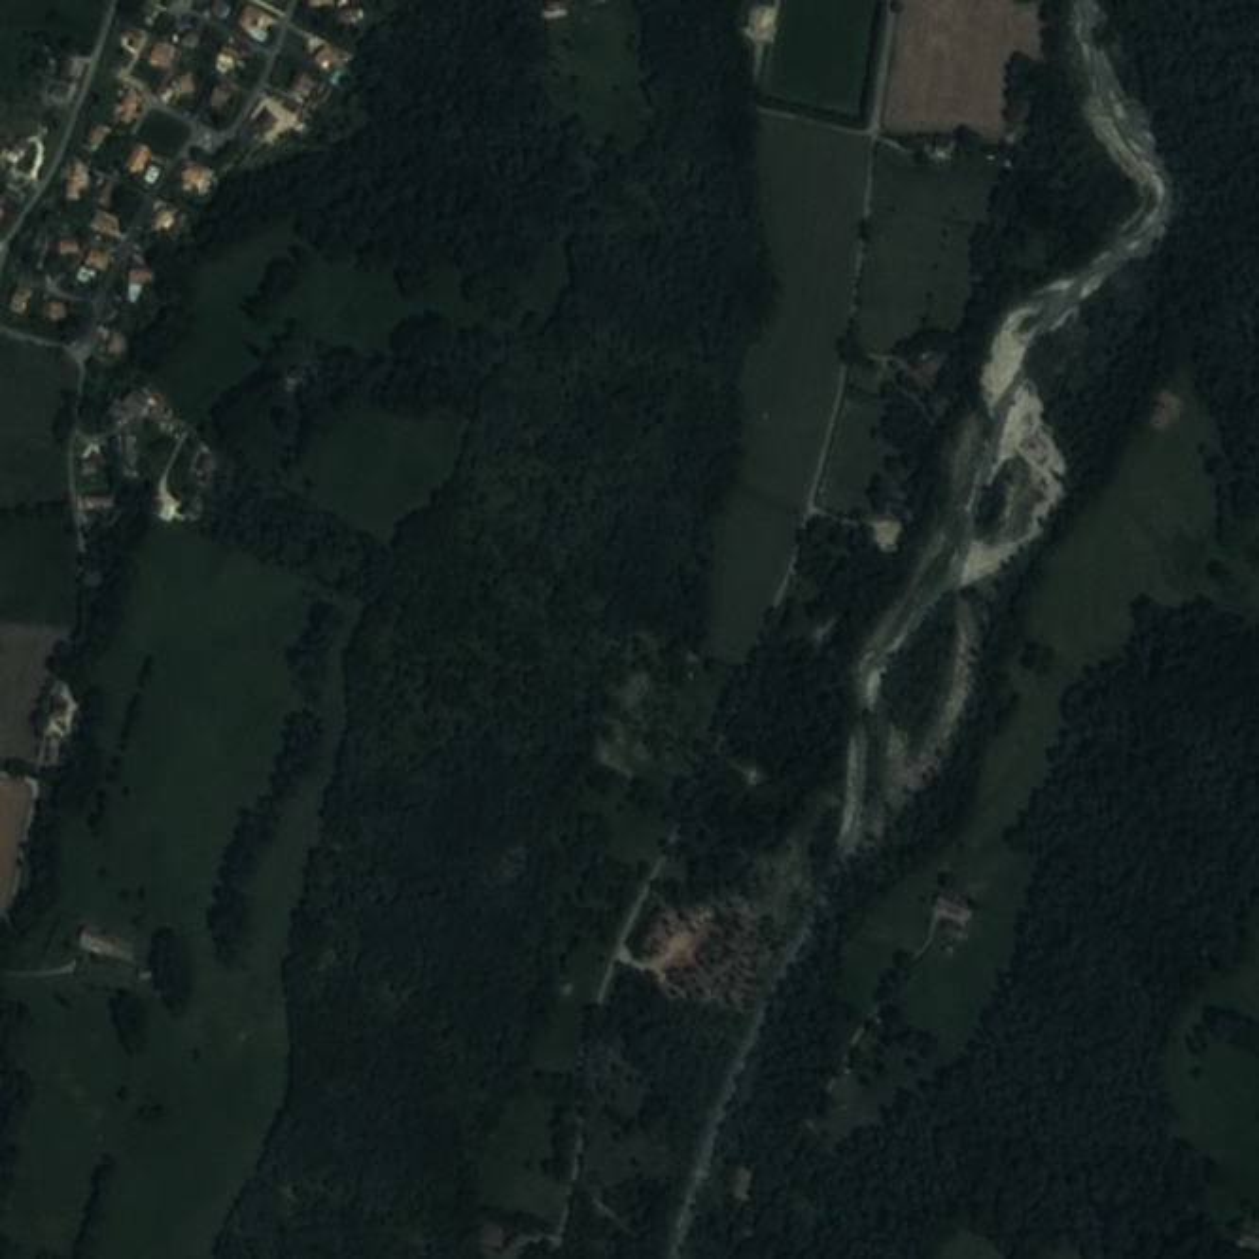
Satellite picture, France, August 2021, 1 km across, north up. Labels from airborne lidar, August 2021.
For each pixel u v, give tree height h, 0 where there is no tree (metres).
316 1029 13
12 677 0
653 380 11
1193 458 0
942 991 0
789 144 0
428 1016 10
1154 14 11
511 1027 15
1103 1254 16
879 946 0
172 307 14
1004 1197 19
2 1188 21
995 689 12
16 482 0
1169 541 0
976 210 0
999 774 0
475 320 0
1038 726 0
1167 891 18
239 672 0
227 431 19
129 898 9
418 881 19
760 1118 8
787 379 0
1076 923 14
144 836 0
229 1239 10
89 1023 0
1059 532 16
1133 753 6
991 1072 13
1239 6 9
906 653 9
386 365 18
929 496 17
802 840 0
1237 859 21
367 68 13
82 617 12
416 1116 15
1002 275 20
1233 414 17
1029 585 17
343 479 0
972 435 0
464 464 7
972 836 0
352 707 6
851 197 0
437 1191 12
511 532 8
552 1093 11
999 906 0
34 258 9
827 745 12
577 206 14
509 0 25
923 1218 16
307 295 0
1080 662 0
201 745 0
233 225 20
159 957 15
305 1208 9
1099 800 11
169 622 0
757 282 19
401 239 20
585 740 15
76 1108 0
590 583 6
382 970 14
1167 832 22
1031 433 0
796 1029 24
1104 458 13
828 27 0
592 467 12
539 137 8
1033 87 11
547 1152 0
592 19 0
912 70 0
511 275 13
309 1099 13
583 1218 9
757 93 15
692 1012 8
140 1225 0
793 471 0
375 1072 13
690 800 15
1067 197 14
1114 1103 15
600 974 0
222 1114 0
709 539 6
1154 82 18
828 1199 11
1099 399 15
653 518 8
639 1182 8
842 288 0
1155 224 0
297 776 14
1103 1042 15
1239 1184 0
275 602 0
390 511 0
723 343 15
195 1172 0
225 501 6
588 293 13
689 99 13
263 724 0
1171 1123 13
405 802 13
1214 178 13
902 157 0
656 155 12
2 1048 13
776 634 14
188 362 0
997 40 0
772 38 0
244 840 16
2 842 0
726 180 14
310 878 11
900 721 13
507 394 9
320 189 23
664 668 8
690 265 17
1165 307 17
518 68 19
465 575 13
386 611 13
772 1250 15
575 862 12
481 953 10
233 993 0
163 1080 0
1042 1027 14
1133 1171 19
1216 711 27
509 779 12
